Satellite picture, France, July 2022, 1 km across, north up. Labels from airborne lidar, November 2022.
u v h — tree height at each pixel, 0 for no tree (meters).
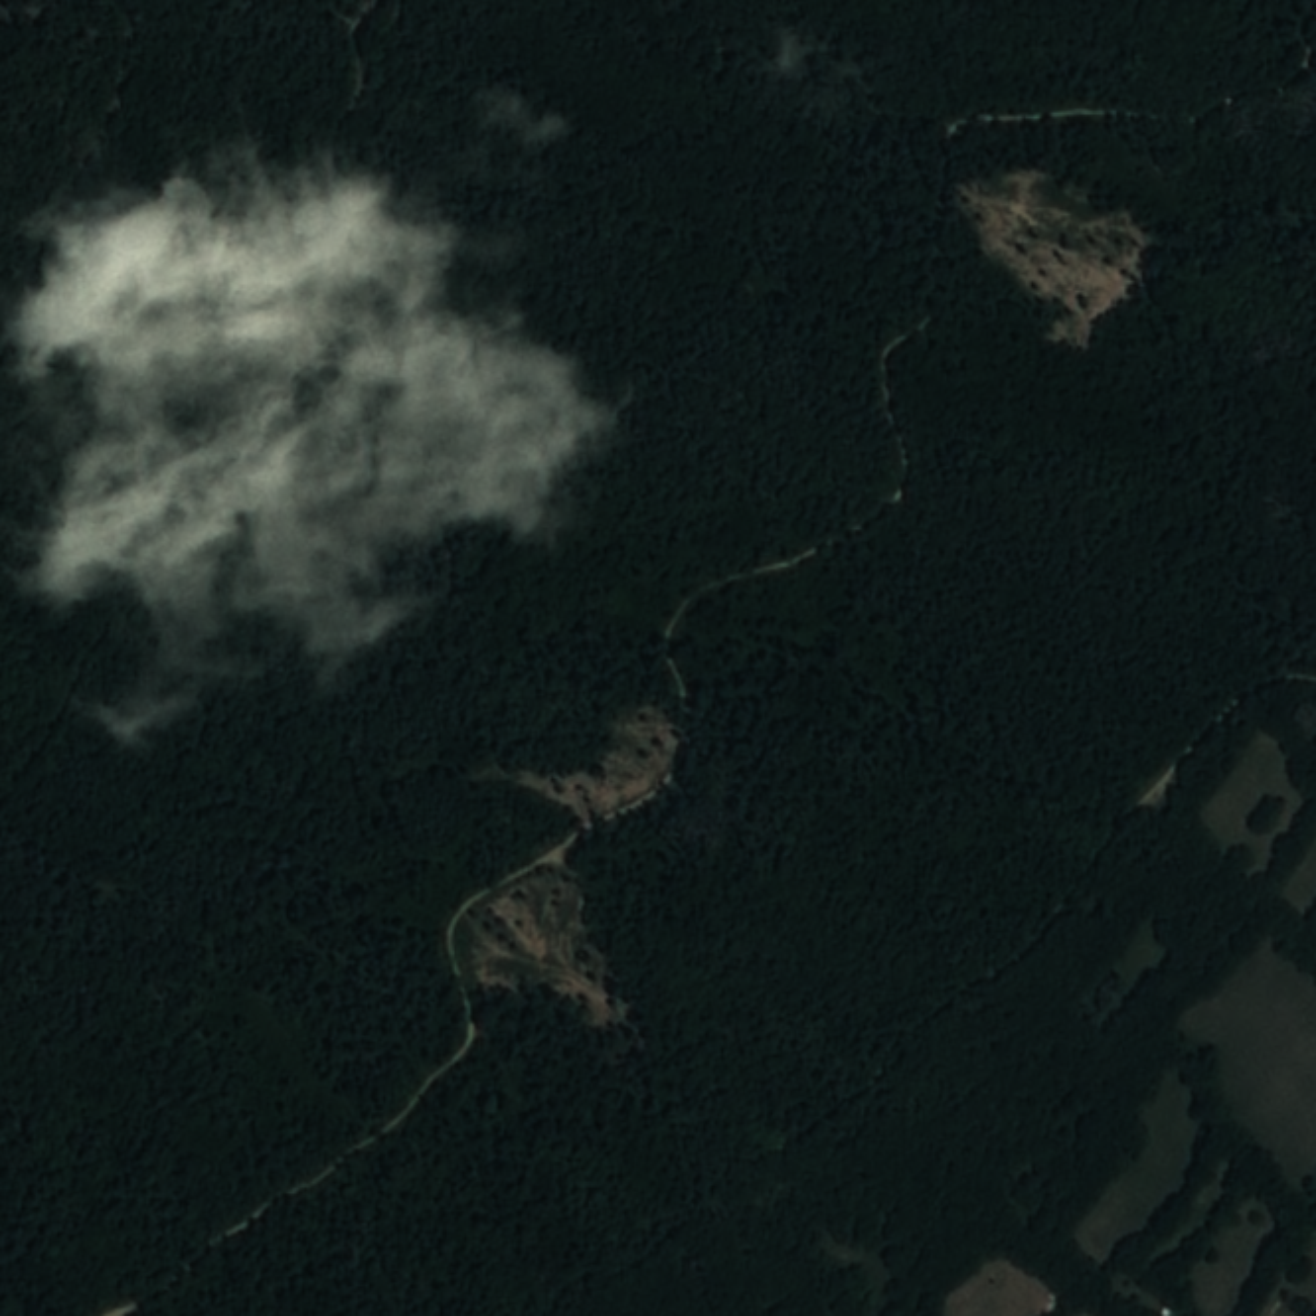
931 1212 16
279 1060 6
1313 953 13
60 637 18
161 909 21
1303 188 18
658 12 19
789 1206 12
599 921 11
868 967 17
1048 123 12
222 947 13
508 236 13
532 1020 20
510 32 18
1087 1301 18
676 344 18
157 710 19
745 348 22
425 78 20
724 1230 19
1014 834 6
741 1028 16
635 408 16
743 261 11
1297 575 18
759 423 17
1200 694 9
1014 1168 20
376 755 14
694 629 7
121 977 23
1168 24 14
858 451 8
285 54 22
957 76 15
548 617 16
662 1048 10
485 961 0
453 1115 8
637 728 0
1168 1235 20
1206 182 7
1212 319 18
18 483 19
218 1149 7
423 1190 6
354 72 16
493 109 19
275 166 21
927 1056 13
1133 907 17
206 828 17
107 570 20
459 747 12
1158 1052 19
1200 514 11
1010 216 0
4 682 16
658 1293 22
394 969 26
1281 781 0
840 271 19
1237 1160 21
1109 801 14
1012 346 5
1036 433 10
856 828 14
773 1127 13
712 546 14
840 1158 19
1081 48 18
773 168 21
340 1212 10
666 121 12
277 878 31
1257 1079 0
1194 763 17
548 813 9
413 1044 8
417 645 16
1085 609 15
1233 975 15
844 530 11
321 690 17
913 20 13
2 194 11
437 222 21
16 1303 22
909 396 10
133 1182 20
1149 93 16
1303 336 23
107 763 16
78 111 15
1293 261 23
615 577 9
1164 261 24
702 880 13
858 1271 12
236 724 21
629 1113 17
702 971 19
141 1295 16
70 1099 17
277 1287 10
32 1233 23
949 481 15
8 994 17
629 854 7
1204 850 18
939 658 8
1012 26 15
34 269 8
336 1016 11
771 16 7
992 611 18
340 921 27
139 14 25
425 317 17
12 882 19
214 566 19
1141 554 15
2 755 19
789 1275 18
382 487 18
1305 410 17
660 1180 12
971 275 20
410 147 18
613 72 13
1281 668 17
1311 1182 11
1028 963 16
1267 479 23
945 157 18
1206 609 11
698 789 23
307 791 19
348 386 16
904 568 7
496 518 8
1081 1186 19
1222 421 14
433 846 8
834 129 24
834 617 12
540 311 16
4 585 15
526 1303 8
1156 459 6
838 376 20
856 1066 9
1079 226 0
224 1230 11
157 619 21
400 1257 10
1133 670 15
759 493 17
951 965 16
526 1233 24
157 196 19
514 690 17
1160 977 18
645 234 19
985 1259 17
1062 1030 17
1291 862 16
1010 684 8
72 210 13
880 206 18
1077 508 17
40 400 11
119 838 13
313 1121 10
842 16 17
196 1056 25
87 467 14
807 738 17
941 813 20
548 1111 12
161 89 17
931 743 27
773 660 8
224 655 21
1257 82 15
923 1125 17
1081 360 8
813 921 16
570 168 14
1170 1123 0
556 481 6
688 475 17
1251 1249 0
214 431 25
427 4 10
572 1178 16
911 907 9
